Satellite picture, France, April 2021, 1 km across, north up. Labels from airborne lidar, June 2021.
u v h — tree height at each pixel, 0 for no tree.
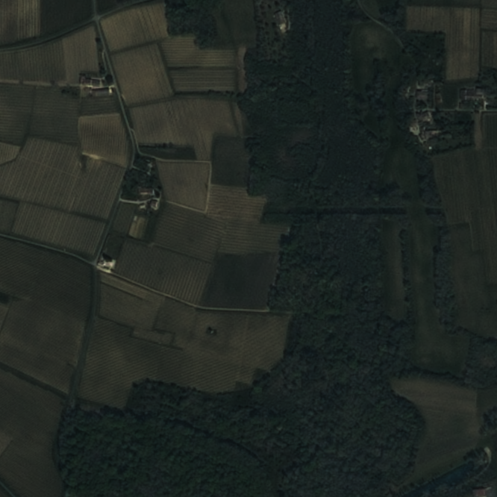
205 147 0
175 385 9
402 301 0
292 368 16
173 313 0
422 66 12
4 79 0
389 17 17
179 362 0
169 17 15
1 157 0
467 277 0
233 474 18
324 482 27
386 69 0
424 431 10
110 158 0
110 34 0
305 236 18
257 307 0
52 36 0
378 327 8
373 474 9
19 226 0
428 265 0
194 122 0
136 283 0
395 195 22
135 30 0
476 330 0
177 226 0
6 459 0
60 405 0
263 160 12
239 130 0
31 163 0
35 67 0
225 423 25
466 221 0
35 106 0
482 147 0
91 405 0
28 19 0
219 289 0
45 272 0
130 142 0
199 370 0
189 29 16
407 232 6
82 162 0
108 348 0
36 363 0
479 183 0
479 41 0
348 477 18
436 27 0
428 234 0
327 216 18
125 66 0
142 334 0
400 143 0
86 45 0
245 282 0
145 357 0
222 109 0
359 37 0
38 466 0
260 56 15
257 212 0
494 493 0
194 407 17
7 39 0
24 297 0
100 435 25
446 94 0
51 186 0
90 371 0
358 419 18
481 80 8
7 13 0
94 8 0
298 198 10
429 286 0
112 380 0
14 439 0
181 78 0
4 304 0
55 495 0
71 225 0
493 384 9
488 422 19
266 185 16
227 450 21
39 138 0
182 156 0
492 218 0
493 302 0
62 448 19
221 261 0
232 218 0
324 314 25
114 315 0
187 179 0
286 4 10
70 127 0
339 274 22
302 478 25
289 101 9
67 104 0
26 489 0
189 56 0
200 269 0
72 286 0
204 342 0
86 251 0
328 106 17
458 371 0
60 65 0
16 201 0
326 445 17
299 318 15
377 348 20
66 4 0
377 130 0
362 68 0
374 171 17
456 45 0
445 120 6
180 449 20
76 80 0
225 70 0
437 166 0
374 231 15
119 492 19
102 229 0
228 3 0
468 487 23
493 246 0
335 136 17
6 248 0
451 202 0
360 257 22
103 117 0
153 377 0
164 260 0
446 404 0
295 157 7
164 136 0
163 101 0
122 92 0
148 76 0
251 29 0
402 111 20
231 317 0
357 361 24
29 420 0
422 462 0
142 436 17
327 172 17
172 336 0
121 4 18
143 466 26
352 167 16
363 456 22
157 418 13
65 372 0
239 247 0
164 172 0
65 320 0
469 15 0
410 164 0
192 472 16
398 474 22
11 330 0
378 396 20
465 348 0
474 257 0
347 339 12
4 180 0
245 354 0
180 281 0
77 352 0
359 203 20
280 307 14
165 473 15
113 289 0
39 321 0
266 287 0
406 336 19
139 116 0
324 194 11
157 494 19
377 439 20
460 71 0
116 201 0
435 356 0
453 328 14
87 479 17
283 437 16
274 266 0
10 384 0
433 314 0
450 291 14
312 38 20
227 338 0
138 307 0
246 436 11
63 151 0
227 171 0
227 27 0
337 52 18
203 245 0
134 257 0
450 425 0
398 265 0
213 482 19
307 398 9
